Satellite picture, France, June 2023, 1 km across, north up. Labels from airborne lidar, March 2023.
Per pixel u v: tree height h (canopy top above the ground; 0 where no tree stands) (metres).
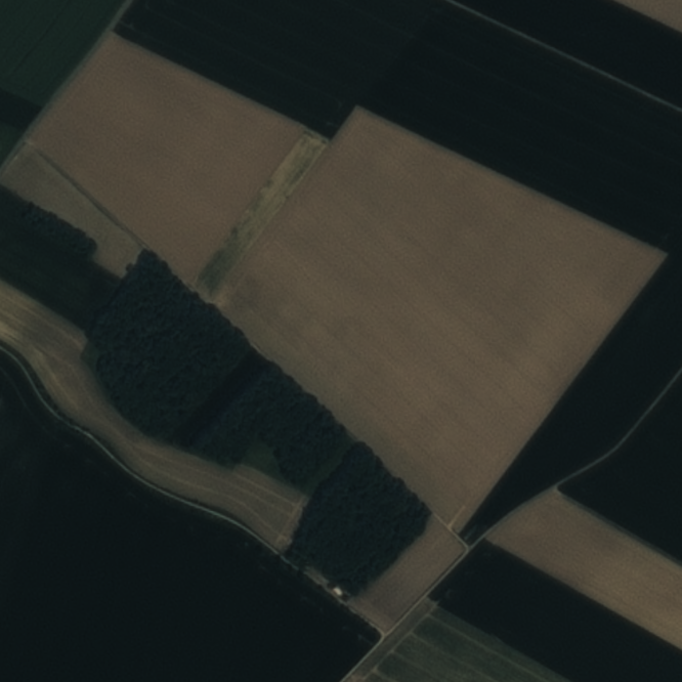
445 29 0
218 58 0
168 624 0
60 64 0
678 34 0
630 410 0
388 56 0
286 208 0
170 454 0
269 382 20
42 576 0
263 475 0
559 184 0
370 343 0
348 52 0
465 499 0
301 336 0
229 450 18
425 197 0
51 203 0
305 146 0
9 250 0
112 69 0
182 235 0
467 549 0
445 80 0
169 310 21
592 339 0
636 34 0
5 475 0
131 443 0
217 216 0
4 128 0
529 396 0
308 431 20
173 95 0
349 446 0
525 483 0
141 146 0
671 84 0
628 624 0
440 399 0
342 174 0
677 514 0
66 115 0
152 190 0
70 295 0
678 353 0
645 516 0
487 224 0
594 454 0
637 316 0
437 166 0
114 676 0
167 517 0
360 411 0
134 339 18
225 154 0
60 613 0
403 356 0
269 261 0
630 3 0
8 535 0
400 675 0
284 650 0
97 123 0
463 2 0
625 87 0
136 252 0
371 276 0
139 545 0
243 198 0
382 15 0
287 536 0
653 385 0
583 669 0
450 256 0
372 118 0
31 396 0
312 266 0
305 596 0
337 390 0
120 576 0
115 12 0
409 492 7
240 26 0
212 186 0
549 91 0
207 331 23
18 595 0
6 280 0
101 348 16
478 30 0
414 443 0
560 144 0
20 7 0
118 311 15
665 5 0
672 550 0
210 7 0
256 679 0
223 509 0
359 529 25
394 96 0
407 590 0
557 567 0
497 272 0
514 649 0
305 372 0
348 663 0
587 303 0
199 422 0
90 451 0
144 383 22
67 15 0
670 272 0
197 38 0
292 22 0
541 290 0
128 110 0
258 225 0
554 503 0
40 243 0
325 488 18
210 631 0
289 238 0
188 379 23
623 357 0
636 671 0
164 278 20
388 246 0
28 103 0
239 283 0
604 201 0
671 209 0
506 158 0
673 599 0
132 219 0
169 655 0
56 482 0
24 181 0
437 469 0
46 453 0
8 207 0
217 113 0
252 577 0
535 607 0
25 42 0
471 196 0
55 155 0
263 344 0
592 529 0
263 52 0
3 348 0
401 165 0
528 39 0
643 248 0
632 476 0
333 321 0
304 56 0
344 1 0
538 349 0
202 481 0
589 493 0
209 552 0
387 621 0
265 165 0
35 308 0
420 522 18
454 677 0
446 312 0
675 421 0
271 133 0
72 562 0
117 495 0
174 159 0
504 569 0
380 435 0
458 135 0
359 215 0
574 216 0
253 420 22
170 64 0
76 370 0
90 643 0
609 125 0
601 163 0
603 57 0
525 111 0
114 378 18
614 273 0
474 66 0
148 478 0
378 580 0
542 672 0
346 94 0
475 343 0
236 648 0
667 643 0
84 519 0
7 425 0
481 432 0
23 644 0
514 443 0
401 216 0
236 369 0
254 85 0
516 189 0
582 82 0
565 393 0
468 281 0
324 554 21
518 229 0
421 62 0
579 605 0
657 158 0
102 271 0
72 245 14
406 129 0
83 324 0
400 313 0
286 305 0
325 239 0
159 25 0
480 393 0
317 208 0
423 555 0
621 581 0
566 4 0
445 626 0
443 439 0
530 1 0
